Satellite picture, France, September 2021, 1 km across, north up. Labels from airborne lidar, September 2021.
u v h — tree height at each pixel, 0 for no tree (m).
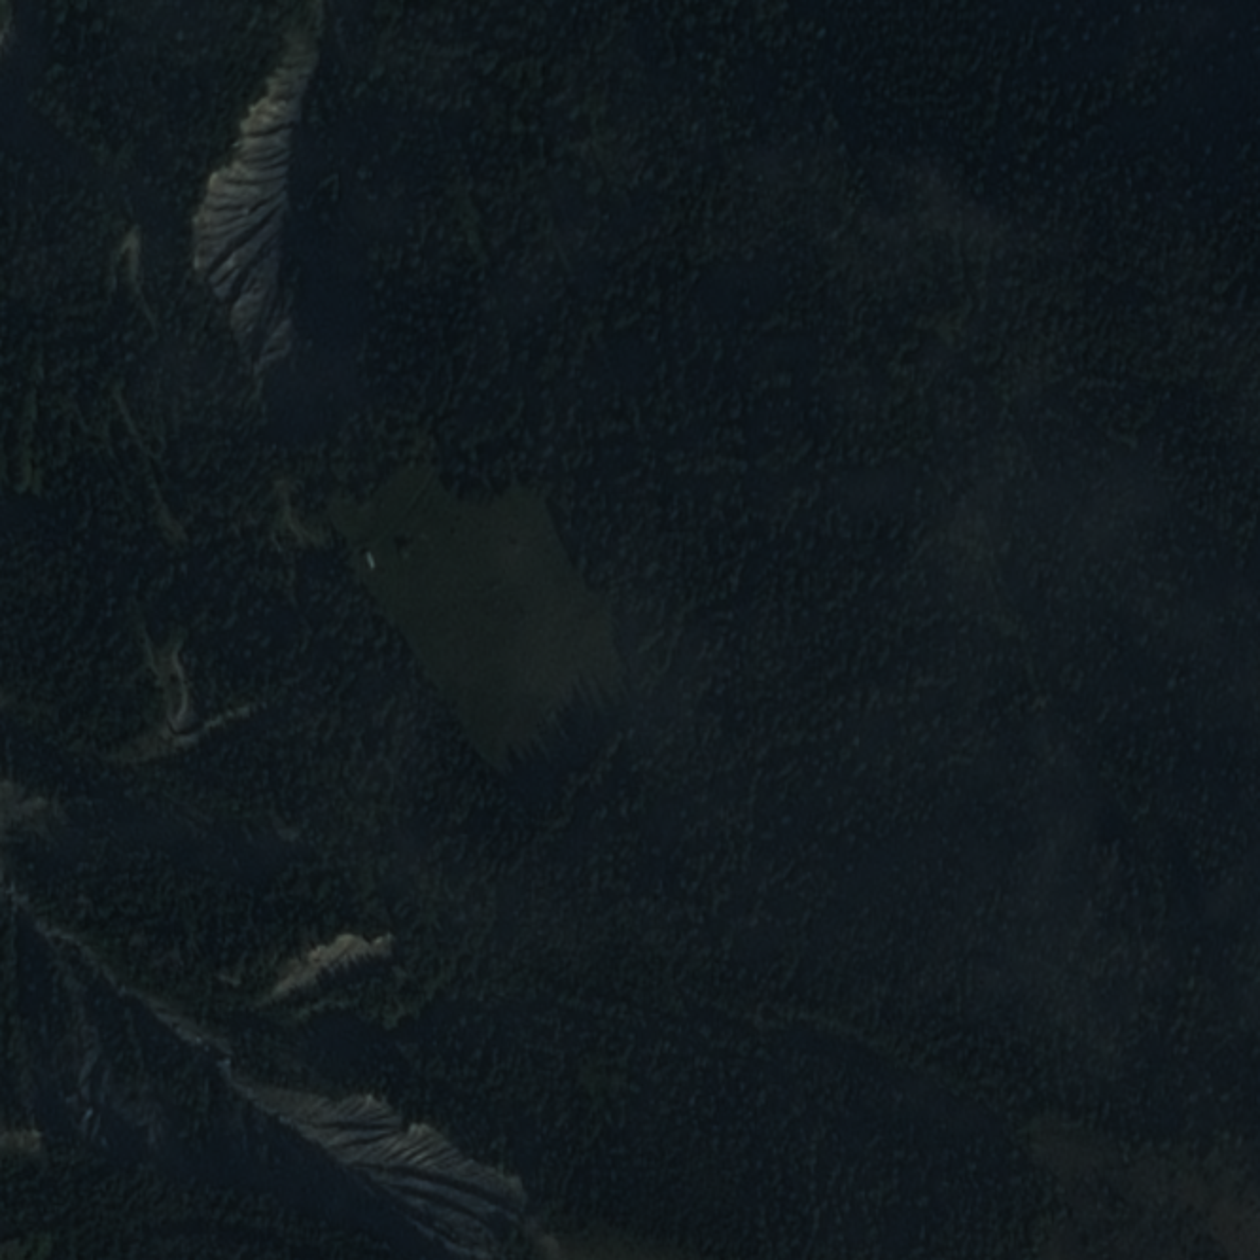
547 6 27
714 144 27
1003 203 24
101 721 9
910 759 24
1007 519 22
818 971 19
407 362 27
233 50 19
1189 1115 7
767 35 16
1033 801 22
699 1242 17
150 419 14
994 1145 10
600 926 19
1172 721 6
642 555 28
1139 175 27
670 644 30
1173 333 29
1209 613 10
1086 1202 0
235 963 22
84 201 18
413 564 0
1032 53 20
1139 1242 0
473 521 0
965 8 17
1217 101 18
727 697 21
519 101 21
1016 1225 13
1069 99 28
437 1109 8
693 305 15
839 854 10
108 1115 0
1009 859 24
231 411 25
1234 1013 7
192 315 19
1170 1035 8
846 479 7
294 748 24
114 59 22
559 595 0
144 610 12
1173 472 25
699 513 27
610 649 0
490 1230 0
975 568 11
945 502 9
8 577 16
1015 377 17
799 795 9
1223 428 29
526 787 0
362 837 7
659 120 17
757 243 24
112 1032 7
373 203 10
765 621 23
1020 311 25
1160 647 9
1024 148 30
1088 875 25
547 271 25
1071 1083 22
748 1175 20
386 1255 9
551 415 17
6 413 19
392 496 0
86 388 9
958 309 22
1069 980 23
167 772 9
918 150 25
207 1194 10
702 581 30
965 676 24
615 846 23
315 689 30
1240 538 23
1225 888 16
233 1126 0
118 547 25
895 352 18
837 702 25
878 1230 10
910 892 25
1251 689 20
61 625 25
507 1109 10
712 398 19
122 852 6
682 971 18
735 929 9
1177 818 16
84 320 8
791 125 21
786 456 28
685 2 14
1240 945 23
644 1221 16
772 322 30
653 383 22
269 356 0
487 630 0
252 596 20
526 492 22
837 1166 27
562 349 24
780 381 26
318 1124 0
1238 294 24
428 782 27
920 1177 27
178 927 18
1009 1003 26
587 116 23
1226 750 26
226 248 0
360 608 23
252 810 6
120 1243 20
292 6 8
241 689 15
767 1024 14
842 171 19
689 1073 21
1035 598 12
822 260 16
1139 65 28
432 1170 0
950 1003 24
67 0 15
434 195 25
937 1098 8
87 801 6
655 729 10
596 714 0
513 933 17
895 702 27
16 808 0
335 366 0
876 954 25
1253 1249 0
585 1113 18
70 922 9
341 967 0
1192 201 15
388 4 18
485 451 7
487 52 14
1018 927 25
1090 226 25
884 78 24
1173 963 6
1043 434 24
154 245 7
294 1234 23
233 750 17
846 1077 14
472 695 0
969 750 19
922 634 22
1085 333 16
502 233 26
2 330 16
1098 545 25
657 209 23
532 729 0
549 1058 27
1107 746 9
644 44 20
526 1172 10
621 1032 16
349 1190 0
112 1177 14
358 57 16
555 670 0
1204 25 25
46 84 9
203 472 17
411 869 26
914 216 28
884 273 19
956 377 31
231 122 19
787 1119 22
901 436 9
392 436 17
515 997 8
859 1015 19
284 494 0
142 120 27
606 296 30
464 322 19
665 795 22
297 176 0
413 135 28
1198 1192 0
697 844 13
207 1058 0
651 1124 14
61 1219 7
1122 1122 14
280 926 12
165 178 22
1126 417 18
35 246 18
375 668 24
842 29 25
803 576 24
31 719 7
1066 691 8
